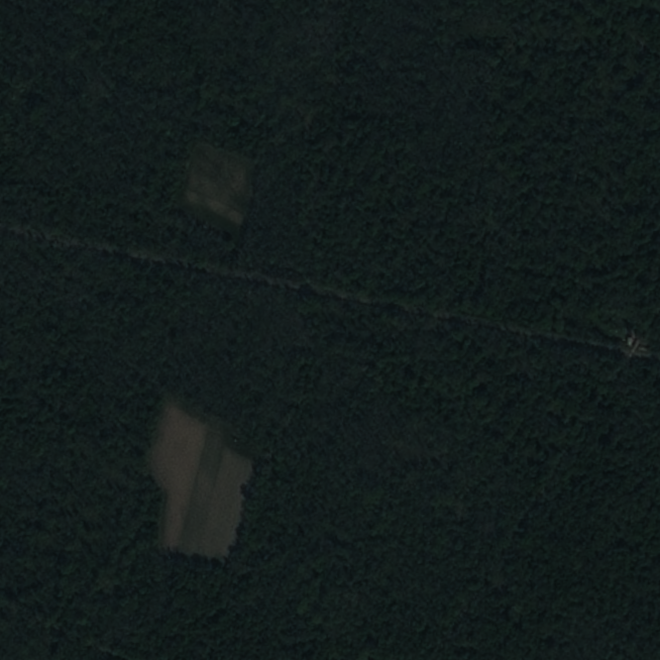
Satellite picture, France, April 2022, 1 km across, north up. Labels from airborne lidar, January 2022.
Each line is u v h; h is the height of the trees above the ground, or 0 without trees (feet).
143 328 75
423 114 81
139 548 89
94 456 70
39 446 63
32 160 83
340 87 39
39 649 79
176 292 70
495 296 87
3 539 85
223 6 98
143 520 79
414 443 78
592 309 94
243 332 89
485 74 79
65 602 91
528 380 92
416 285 106
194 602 81
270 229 73
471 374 78
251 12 104
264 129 70
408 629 68
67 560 83
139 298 77
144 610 89
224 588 58
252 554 60
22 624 90
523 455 73
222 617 76
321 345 101
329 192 80
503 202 91
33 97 34
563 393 79
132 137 96
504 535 110
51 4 88
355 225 91
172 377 66
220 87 63
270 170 70
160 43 55
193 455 0
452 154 103
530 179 111
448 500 88
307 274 61
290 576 78
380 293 49
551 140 85
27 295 84
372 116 54
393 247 86
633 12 87
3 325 89
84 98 92
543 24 110
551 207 101
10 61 87
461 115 107
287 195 83
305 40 102
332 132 69
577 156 108
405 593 78
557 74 97
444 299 82
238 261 77
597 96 81
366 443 77
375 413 83
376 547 69
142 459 94
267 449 91
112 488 81
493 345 94
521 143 101
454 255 89
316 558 88
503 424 83
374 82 98
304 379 46
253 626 81
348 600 117
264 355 82
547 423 99
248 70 95
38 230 46
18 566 68
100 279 67
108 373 90
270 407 114
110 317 69
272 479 52
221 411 91
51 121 83
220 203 0
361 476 93
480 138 102
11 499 73
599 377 84
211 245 65
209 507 0
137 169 24
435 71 101
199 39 63
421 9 89
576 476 0
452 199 103
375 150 67
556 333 42
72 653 85
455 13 99
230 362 106
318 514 90
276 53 90
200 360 85
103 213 56
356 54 63
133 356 81
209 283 88
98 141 97
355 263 67
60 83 93
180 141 68
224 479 0
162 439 0
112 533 73
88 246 72
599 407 83
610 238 67
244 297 92
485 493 69
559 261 76
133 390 83
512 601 94
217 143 63
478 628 89
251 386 81
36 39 95
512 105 102
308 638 79
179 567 82
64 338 52
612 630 68
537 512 80
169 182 77
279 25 89
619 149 80
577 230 83
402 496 83
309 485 26
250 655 104
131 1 71
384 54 106
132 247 56
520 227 106
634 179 67
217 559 0
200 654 78
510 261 84
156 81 54
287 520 90
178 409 0
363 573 98
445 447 84
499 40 24
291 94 104
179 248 71
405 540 84
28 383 65
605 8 93
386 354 82
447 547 73
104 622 90
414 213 86
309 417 90
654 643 82
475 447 95
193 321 95
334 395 50
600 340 65
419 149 102
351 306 69
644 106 99
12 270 61
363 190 81
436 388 45
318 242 86
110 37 75
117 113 97
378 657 76
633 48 55
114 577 91
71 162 89
